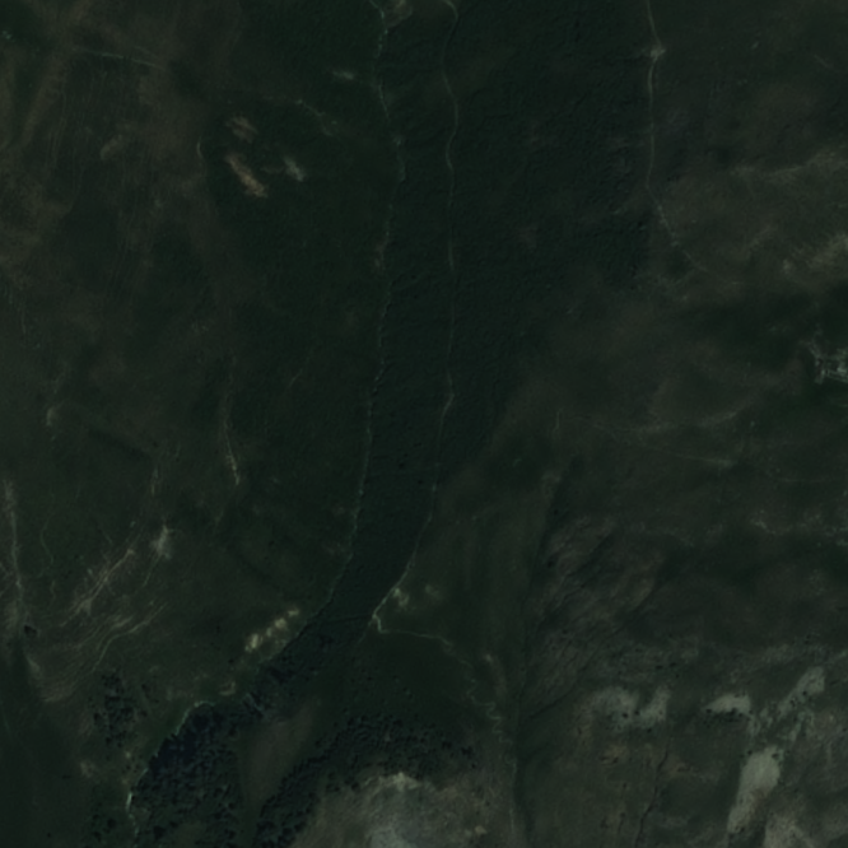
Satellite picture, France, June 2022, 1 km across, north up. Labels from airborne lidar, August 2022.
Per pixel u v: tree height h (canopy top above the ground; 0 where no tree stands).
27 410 0
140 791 7
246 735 0
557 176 0
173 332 0
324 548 0
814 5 0
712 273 0
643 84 0
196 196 0
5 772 0
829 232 0
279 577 0
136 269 0
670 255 0
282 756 0
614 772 0
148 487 0
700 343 0
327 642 15
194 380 0
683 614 0
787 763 0
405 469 11
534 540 0
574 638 0
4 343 0
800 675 0
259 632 0
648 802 0
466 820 0
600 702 0
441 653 0
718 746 0
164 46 0
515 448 0
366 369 0
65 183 0
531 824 0
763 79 0
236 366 0
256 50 0
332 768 11
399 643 0
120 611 0
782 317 0
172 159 0
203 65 0
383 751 11
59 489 0
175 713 0
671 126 0
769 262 0
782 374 0
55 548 0
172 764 28
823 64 0
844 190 0
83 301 0
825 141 0
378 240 0
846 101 0
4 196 0
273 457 0
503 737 0
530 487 0
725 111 0
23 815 0
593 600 0
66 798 0
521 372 0
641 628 0
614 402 0
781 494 0
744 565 0
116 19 0
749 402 0
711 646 10
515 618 0
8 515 0
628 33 0
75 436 0
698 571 0
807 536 0
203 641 0
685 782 0
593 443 0
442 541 0
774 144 0
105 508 0
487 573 0
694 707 0
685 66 0
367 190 0
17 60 0
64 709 0
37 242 0
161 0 0
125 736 18
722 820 0
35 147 0
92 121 0
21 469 0
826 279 0
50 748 0
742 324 0
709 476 0
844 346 0
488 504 0
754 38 0
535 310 0
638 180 0
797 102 0
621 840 0
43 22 0
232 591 0
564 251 0
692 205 0
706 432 0
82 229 0
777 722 0
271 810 13
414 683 0
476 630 0
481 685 0
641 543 0
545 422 0
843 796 0
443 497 0
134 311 0
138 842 10
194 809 7
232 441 0
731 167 0
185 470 0
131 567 0
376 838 0
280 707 0
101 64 0
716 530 0
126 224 0
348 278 0
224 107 0
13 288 0
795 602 0
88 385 0
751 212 0
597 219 0
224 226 0
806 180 0
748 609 0
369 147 0
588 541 0
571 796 0
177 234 0
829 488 0
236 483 0
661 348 0
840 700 0
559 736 0
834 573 0
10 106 0
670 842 0
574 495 0
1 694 0
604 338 0
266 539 0
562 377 0
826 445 0
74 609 0
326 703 0
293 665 7
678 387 0
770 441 0
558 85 0
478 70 0
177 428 0
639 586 0
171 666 0
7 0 0
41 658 0
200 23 0
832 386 0
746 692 0
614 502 0
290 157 0
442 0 0
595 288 0
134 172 0
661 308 0
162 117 0
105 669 0
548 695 0
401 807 0
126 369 0
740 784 0
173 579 0
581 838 0
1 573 0
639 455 0
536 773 0
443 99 0
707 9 0
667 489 0
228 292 0
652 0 0
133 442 0
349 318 0
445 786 0
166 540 0
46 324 0
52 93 0
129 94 0
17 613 0
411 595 0
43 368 0
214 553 0
